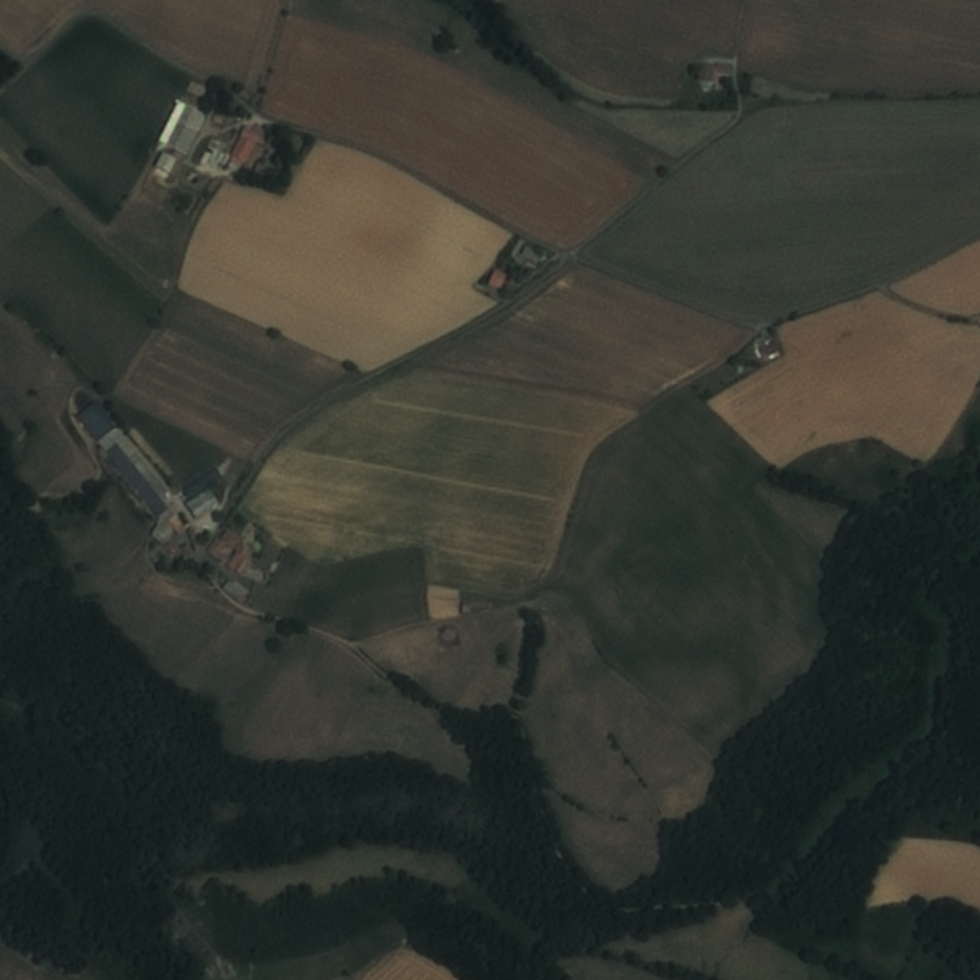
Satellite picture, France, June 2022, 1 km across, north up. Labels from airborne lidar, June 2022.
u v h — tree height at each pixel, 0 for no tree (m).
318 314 0
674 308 0
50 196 0
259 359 0
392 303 0
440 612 0
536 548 0
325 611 0
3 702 23
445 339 0
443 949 13
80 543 0
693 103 0
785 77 0
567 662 0
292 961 0
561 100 6
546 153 0
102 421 0
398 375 0
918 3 0
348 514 0
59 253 0
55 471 0
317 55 0
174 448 0
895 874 0
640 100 0
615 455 0
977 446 9
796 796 15
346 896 7
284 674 0
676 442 0
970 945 24
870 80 0
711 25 0
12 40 0
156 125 0
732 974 0
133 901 31
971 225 0
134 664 16
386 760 10
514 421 0
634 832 0
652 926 16
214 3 0
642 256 0
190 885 18
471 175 0
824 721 17
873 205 0
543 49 0
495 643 0
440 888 17
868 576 18
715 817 13
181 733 17
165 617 0
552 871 20
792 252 0
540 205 0
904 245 0
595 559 0
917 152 0
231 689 0
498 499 0
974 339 0
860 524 21
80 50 0
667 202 0
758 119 0
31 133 0
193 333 0
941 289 0
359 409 0
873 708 15
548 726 0
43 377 0
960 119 0
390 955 0
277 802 9
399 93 0
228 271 0
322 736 0
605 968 0
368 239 0
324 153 0
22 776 29
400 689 15
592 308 0
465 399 0
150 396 0
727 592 0
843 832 27
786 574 0
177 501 0
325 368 0
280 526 0
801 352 0
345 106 0
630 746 0
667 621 0
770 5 0
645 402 0
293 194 0
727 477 0
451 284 0
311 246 0
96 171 0
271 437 0
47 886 21
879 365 0
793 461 0
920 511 19
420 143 0
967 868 0
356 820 15
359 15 0
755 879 24
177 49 0
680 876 18
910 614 32
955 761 22
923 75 0
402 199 0
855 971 19
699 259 0
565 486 0
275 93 0
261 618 6
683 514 0
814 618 0
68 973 16
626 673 0
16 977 0
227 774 14
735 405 0
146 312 0
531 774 21
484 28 13
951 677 8
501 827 14
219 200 0
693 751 0
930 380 0
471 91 0
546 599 0
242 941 0
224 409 0
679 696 0
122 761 22
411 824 14
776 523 0
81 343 0
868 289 0
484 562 0
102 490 14
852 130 0
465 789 10
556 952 26
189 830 9
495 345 0
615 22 0
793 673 0
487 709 14
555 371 0
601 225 0
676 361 0
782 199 0
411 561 0
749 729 12
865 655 17
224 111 14
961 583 23
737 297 0
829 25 0
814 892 26
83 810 26
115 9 0
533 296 0
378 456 0
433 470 0
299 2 0
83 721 29
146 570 0
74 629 17
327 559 0
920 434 0
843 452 0
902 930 0
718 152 0
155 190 0
